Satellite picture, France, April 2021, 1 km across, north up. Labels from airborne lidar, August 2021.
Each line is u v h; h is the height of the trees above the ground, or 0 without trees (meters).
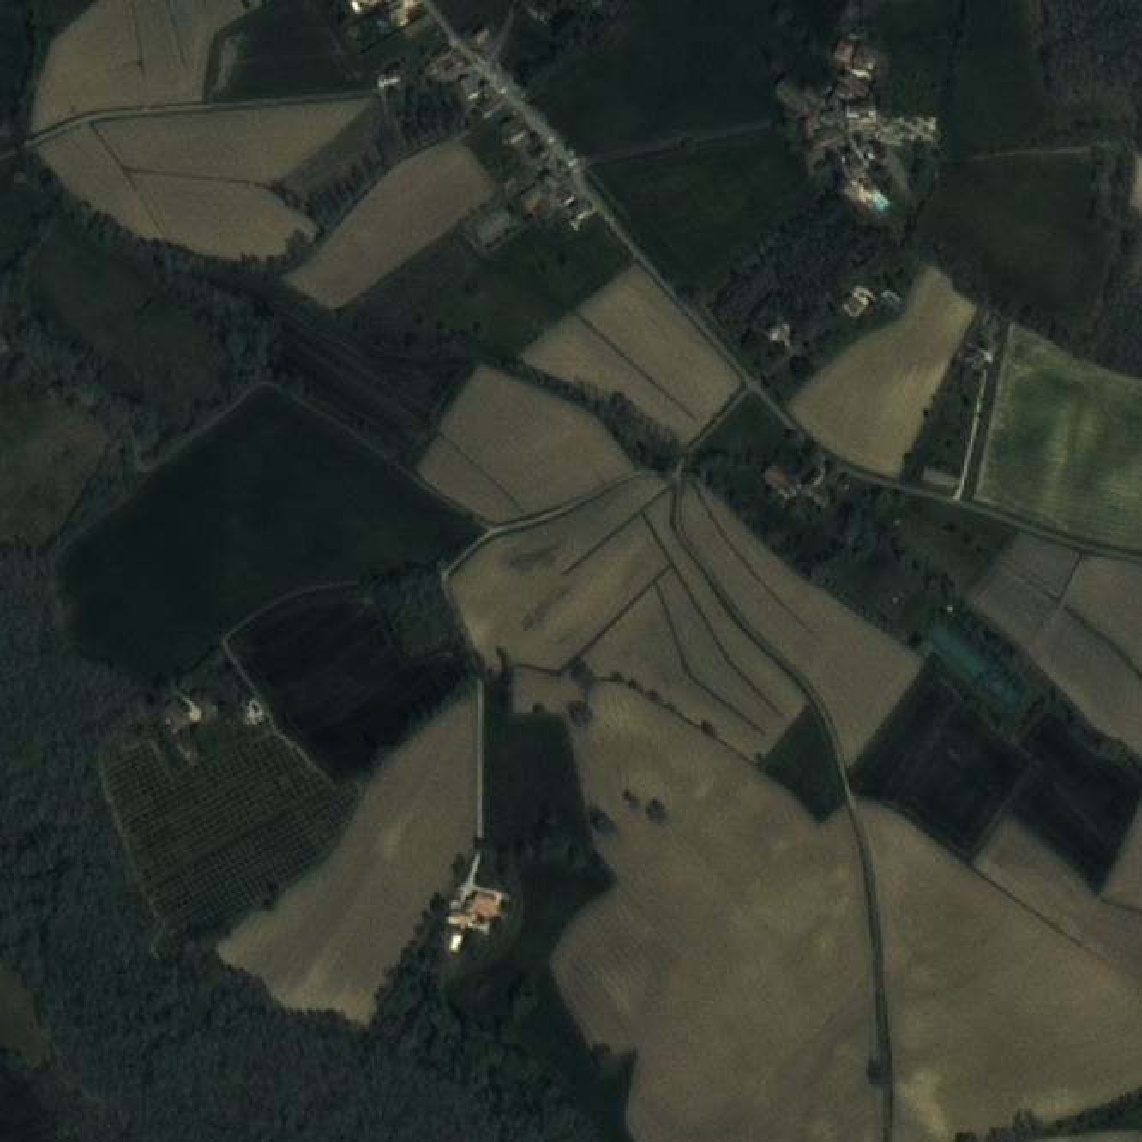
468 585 0
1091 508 0
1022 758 0
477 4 0
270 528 0
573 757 0
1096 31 14
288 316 0
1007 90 0
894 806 0
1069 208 0
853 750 0
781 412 0
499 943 0
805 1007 0
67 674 23
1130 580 0
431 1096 25
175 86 0
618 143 0
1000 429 0
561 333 0
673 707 7
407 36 0
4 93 0
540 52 0
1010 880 0
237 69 0
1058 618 0
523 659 0
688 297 17
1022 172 0
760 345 14
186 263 18
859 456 0
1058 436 0
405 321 0
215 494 0
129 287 0
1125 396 0
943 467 8
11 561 22
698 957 0
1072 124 0
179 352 0
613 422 14
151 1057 18
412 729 24
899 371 0
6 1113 0
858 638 0
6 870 7
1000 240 0
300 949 0
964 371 7
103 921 23
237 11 0
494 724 0
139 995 27
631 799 10
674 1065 0
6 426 0
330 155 0
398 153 29
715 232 0
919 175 14
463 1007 0
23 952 22
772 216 0
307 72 0
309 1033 17
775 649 0
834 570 17
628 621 0
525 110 0
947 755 0
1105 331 14
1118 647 0
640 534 0
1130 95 11
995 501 0
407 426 0
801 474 7
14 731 27
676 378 0
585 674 17
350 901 0
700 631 0
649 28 0
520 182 6
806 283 10
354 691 0
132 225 0
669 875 0
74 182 0
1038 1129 21
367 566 0
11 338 9
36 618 24
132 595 0
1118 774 0
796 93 0
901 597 0
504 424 0
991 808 0
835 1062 0
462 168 0
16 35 0
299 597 0
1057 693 9
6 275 14
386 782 0
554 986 0
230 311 26
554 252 0
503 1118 21
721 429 0
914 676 0
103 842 29
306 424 0
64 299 0
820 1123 0
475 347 11
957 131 0
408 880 0
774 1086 0
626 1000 0
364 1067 19
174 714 0
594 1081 0
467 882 0
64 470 0
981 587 0
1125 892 0
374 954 0
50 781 18
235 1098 10
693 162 0
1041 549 0
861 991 0
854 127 0
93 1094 9
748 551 0
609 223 0
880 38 11
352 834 0
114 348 0
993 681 11
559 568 0
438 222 0
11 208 0
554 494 0
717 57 0
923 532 0
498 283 0
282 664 0
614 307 0
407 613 25
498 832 0
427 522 0
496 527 0
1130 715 0
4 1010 0
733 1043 0
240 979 20
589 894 0
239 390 25
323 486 0
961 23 6
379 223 0
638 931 0
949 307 0
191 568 0
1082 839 0
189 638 0
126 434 18
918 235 18
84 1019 20
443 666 0
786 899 0
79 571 0
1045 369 0
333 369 0
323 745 0
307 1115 16
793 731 0
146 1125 13
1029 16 0
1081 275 0
